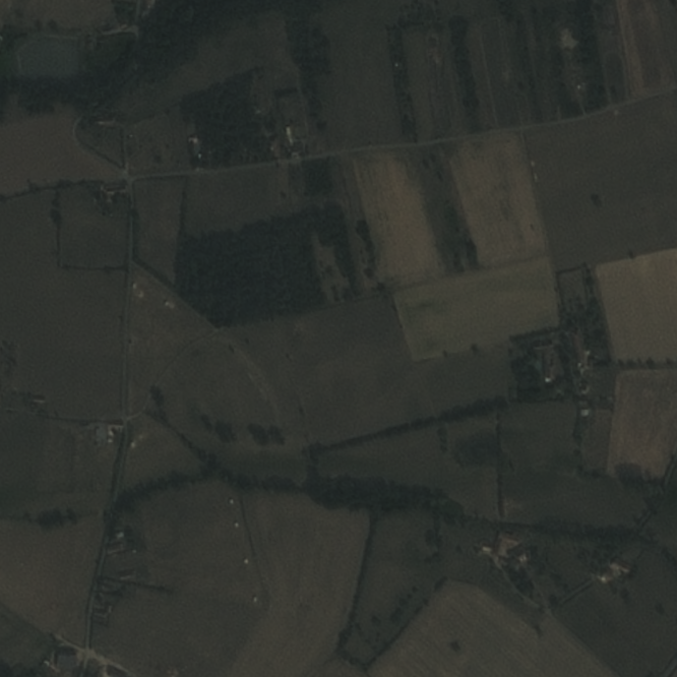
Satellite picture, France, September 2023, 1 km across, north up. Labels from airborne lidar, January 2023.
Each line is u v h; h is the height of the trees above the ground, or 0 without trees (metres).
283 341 0
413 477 0
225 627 0
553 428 0
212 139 11
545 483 0
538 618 0
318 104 10
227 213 0
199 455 10
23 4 0
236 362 0
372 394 0
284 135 0
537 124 0
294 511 0
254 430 14
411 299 0
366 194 0
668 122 0
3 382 0
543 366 0
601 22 0
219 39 0
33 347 0
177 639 0
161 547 0
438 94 0
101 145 0
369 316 0
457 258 7
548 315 0
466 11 0
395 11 0
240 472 0
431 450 0
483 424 0
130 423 0
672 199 0
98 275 0
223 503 0
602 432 0
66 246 0
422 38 0
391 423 0
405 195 0
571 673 0
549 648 0
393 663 0
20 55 0
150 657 0
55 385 0
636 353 0
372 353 0
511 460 0
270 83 0
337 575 0
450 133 0
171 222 0
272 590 0
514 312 0
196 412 0
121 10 9
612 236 0
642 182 0
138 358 0
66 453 0
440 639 0
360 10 0
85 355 0
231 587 0
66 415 0
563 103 0
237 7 20
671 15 0
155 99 0
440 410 0
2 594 0
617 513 0
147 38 27
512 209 0
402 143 0
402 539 0
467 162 0
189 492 0
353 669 0
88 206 0
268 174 0
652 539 20
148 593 0
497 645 0
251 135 8
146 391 0
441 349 0
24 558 0
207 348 0
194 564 0
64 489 0
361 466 0
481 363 0
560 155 0
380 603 0
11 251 0
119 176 0
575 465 0
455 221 0
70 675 0
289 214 0
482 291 0
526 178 0
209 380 0
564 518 0
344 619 0
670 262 0
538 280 0
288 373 0
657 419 0
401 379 0
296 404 0
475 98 8
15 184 0
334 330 0
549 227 0
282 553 0
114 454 0
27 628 0
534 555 14
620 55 0
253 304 23
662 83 0
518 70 0
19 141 0
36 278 0
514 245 0
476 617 0
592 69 0
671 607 0
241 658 0
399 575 0
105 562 0
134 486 0
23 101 7
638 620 0
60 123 0
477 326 0
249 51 0
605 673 0
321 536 0
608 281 0
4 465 0
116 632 0
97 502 0
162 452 0
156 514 0
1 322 0
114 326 0
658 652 0
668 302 0
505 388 0
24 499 0
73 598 0
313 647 0
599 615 0
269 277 22
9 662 0
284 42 0
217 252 21
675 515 0
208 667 0
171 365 0
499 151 0
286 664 0
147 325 0
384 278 0
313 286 13
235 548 0
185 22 21
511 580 6
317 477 18
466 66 9
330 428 0
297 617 0
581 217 0
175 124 0
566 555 0
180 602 0
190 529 0
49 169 0
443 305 0
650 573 0
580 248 0
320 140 0
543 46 0
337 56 0
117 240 0
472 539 0
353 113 0
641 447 0
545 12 0
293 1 14
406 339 0
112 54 0
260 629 0
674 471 0
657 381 0
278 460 0
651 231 0
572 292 0
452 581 0
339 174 0
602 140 0
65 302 0
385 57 0
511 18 6
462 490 0
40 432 0
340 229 12
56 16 0
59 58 0
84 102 18
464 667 0
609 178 0
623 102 0
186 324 0
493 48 0
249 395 0
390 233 0
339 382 0
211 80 0
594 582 0
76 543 0
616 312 0
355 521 0
